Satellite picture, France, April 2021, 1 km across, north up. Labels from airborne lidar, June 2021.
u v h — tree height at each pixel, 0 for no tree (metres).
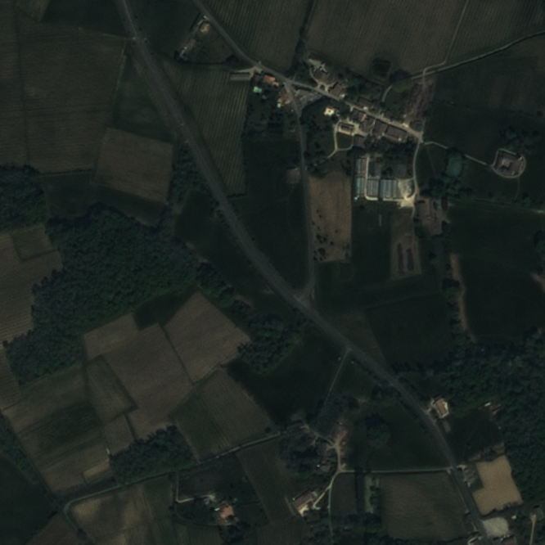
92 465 0
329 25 0
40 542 0
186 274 28
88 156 0
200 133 0
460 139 0
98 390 0
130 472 18
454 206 0
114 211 15
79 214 0
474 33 0
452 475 0
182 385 0
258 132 11
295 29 0
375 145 6
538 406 23
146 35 0
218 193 0
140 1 0
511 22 0
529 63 0
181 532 0
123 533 0
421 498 0
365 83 8
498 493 0
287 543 0
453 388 14
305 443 12
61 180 0
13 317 0
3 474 0
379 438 23
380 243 0
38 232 0
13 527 0
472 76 0
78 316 23
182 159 7
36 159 0
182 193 6
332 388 0
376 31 0
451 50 0
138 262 24
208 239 0
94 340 0
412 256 0
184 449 18
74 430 0
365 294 0
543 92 0
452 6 0
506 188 0
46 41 0
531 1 0
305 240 0
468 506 0
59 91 0
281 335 17
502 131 0
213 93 0
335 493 0
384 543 24
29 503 0
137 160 0
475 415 0
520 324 0
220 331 0
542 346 26
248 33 0
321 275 0
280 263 0
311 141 11
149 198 0
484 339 0
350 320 0
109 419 0
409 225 0
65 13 0
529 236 0
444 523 0
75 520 0
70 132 0
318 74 0
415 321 0
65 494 17
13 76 0
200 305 0
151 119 0
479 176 0
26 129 0
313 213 0
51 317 20
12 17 0
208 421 0
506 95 0
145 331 0
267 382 0
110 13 0
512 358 26
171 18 0
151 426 0
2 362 0
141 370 0
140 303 13
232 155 0
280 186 0
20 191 22
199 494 0
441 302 0
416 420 10
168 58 0
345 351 0
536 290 0
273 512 0
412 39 0
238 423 0
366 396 0
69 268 16
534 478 24
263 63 0
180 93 0
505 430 9
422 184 8
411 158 9
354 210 0
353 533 6
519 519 6
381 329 0
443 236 9
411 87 11
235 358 0
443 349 0
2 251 0
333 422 18
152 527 0
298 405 0
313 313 0
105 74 0
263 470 0
